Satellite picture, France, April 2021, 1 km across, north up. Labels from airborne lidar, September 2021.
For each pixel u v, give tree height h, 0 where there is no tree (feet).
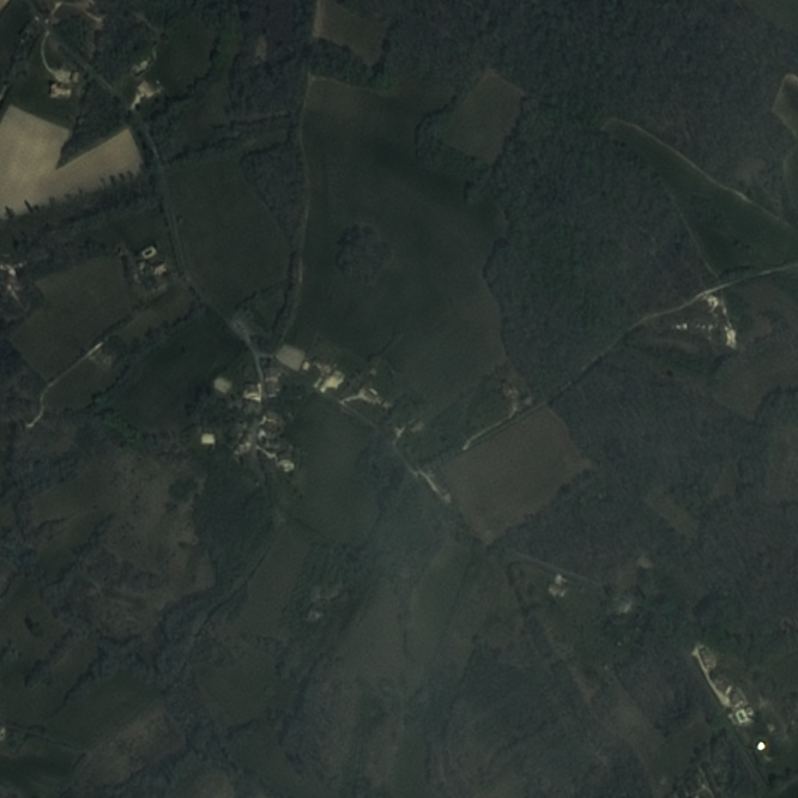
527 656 25
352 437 0
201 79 19
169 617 30
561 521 65
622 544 58
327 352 0
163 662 56
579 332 67
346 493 0
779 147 45
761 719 22
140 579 39
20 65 49
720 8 46
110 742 0
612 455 71
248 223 0
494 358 0
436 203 0
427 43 61
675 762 0
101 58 43
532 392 25
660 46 38
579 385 53
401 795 0
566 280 76
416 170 0
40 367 0
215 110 0
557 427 0
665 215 40
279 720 34
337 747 46
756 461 53
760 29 50
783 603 48
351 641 0
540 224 81
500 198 52
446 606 0
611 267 65
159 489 0
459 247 0
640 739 0
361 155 0
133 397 0
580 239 64
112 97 50
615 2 55
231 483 23
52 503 0
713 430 57
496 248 0
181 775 98
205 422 43
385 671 0
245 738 56
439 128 60
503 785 0
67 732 0
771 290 0
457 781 54
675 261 32
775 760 0
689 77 22
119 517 0
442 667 0
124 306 0
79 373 0
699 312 24
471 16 43
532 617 50
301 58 30
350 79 35
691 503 74
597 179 59
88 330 0
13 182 0
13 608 0
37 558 34
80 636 41
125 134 0
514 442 0
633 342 41
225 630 0
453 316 0
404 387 56
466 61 46
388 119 0
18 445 53
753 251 27
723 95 41
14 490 48
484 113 0
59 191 0
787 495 0
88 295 0
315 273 0
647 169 46
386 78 80
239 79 61
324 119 0
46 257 36
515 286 55
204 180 0
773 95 53
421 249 0
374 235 49
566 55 63
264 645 40
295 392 20
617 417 51
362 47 0
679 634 83
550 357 47
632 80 39
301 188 48
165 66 0
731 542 74
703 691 60
